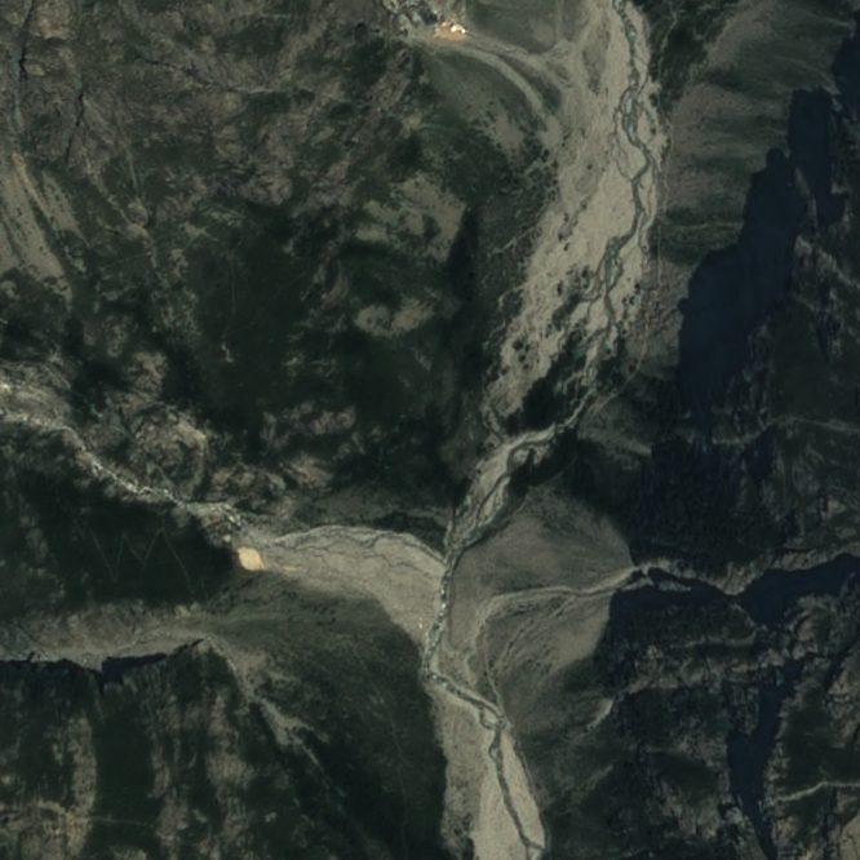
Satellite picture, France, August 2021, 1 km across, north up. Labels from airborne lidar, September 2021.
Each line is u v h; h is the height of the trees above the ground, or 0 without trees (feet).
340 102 0
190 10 0
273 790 0
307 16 0
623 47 0
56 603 0
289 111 0
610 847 0
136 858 0
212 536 0
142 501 0
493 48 0
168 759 0
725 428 0
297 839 0
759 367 0
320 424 0
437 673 0
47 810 0
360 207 0
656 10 0
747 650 0
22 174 0
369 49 0
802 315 0
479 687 0
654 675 0
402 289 0
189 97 0
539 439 0
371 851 0
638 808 0
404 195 0
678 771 0
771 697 0
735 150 0
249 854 0
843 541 0
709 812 0
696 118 0
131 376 0
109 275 0
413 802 0
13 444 0
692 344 0
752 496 0
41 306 0
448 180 0
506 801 0
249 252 0
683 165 0
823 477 0
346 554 0
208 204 0
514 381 0
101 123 0
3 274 0
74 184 0
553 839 0
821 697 0
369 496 0
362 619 0
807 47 0
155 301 0
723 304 0
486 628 0
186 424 0
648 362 0
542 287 0
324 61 0
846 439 0
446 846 0
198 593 0
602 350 0
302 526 0
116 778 0
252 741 0
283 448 0
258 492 0
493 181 0
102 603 0
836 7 0
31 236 0
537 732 0
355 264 0
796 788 0
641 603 0
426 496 0
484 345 0
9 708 0
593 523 0
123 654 0
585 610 0
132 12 0
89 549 0
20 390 0
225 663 0
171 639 0
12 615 0
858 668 0
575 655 0
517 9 0
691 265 0
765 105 0
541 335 0
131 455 0
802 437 0
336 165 0
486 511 0
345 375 0
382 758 0
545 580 0
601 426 0
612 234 0
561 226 0
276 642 0
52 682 18
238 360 0
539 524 0
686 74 0
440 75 0
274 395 0
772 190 0
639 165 0
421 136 0
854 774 0
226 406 0
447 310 0
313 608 0
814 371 0
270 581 0
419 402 0
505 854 0
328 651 0
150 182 0
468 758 0
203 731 0
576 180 0
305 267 0
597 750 0
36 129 0
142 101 0
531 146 0
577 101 0
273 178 0
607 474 0
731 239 0
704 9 0
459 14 0
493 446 0
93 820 0
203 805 0
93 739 0
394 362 0
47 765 0
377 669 0
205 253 0
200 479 0
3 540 0
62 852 0
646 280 0
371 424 0
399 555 0
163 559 0
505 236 0
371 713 0
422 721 0
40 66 0
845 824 0
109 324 0
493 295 0
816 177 0
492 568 0
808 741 0
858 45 0
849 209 0
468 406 0
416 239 0
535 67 0
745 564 0
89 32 0
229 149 0
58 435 0
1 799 0
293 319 0
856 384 0
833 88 0
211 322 0
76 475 0
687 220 0
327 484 0
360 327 0
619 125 0
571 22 0
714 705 0
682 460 20
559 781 0
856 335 0
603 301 0
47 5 0
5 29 0
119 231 0
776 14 0
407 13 0
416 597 0
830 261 0
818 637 0
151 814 0
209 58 0
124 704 0
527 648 0
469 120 0
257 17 0
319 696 0
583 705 0
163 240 0
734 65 0
